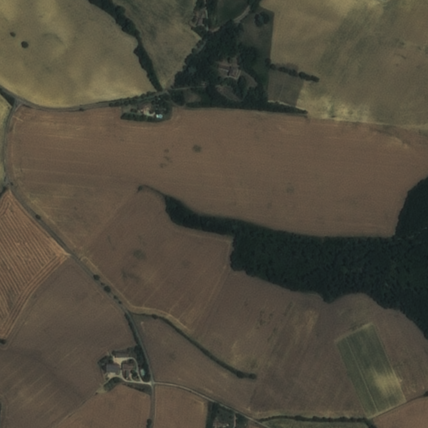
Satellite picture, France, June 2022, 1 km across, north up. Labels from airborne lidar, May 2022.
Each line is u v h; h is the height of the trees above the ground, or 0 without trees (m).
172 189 0
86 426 0
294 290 14
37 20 0
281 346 0
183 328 0
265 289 0
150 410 0
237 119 0
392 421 0
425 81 0
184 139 0
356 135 0
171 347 0
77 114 0
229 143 0
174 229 0
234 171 0
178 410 0
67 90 0
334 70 0
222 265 0
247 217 0
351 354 0
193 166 0
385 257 30
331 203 0
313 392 0
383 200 0
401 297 21
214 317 0
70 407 0
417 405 0
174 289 0
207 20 11
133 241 0
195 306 0
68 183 0
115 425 0
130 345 0
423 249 29
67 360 0
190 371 0
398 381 0
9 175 0
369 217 0
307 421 8
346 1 0
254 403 0
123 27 6
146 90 0
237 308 0
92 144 0
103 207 0
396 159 0
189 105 7
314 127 0
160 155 0
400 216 8
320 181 0
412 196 9
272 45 0
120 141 0
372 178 0
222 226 13
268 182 0
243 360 0
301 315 0
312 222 0
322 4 0
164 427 0
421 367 0
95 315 0
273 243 21
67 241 0
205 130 0
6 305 0
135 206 0
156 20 0
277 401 0
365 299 0
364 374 0
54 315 0
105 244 0
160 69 0
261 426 0
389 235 0
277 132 0
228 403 0
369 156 0
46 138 0
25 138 0
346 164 0
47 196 0
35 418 0
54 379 0
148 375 10
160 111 7
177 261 0
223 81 14
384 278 25
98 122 0
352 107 0
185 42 0
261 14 10
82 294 0
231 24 18
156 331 0
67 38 0
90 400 0
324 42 0
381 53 0
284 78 0
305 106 0
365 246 25
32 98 0
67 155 0
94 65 0
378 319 0
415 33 0
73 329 0
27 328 0
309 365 0
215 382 0
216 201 0
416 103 0
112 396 0
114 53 0
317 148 0
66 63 0
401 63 0
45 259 0
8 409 0
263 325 0
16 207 0
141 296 0
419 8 0
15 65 0
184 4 0
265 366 0
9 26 0
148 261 0
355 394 0
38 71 0
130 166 0
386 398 0
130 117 11
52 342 0
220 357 0
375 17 0
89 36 0
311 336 0
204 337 0
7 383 0
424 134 0
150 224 0
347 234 0
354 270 24
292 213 0
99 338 0
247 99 14
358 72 0
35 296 0
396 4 0
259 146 0
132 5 0
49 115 0
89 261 0
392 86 0
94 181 0
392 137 0
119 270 0
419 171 0
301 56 0
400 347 0
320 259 6
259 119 0
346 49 0
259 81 13
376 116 0
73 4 0
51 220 0
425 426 0
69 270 0
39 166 0
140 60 8
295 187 0
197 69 11
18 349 0
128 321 6
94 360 0
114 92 0
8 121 0
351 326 0
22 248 0
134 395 0
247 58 15
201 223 13
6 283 0
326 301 10
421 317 22
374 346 0
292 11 0
